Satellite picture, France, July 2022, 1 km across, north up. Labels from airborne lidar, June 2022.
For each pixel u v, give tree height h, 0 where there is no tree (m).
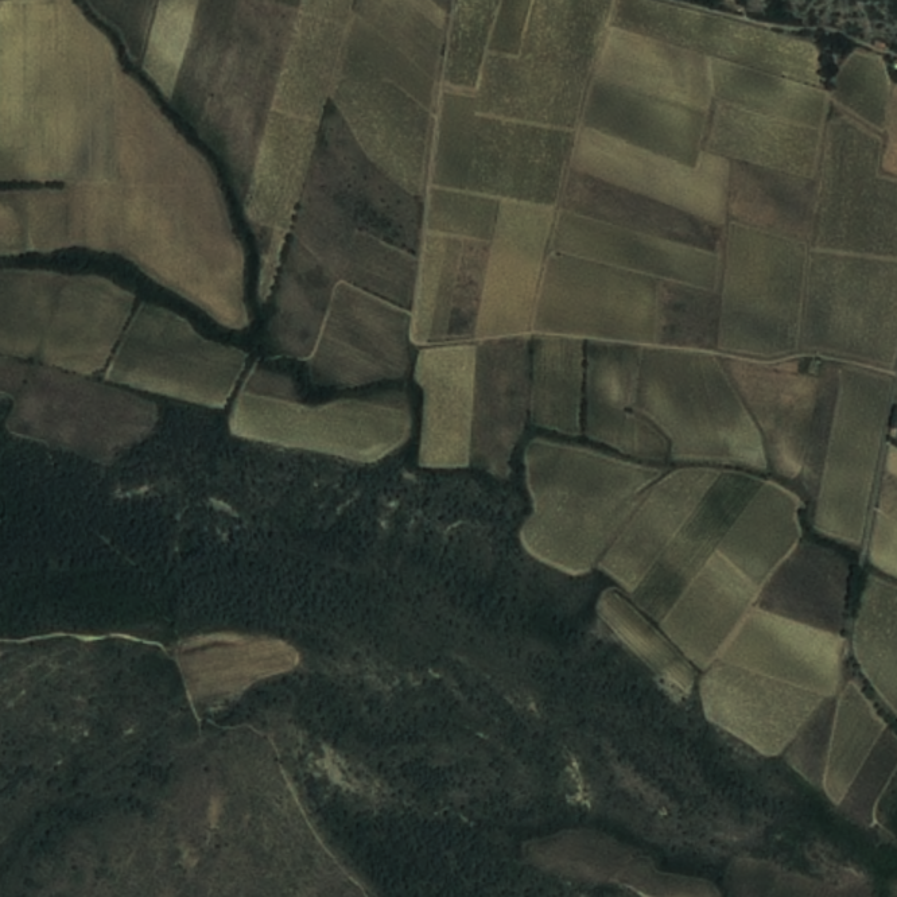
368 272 0
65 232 0
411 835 10
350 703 8
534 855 0
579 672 7
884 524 0
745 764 0
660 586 0
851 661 8
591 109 0
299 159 0
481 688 7
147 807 8
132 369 0
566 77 0
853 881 0
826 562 0
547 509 0
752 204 0
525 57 0
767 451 0
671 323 0
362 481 10
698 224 0
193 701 0
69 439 0
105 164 0
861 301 0
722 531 0
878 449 0
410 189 0
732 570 0
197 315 10
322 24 0
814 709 0
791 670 0
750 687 0
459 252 0
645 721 5
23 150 0
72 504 10
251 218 0
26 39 0
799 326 0
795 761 0
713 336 0
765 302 0
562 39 0
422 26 0
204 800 0
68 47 0
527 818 8
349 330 0
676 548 0
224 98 0
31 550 12
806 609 0
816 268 0
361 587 8
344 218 0
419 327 0
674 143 0
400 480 8
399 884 13
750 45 0
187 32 0
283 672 0
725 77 0
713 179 0
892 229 0
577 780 0
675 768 12
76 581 10
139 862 0
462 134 0
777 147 0
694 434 0
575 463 0
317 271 0
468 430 0
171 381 0
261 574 11
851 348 0
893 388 0
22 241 0
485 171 0
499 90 0
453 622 8
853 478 0
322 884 0
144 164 0
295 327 0
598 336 0
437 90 0
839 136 0
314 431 0
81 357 0
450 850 12
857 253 0
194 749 0
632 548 0
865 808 0
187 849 0
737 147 0
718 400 0
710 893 0
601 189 0
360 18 0
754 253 0
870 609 0
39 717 0
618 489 0
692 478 0
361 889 0
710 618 0
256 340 6
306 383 13
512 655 6
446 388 0
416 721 8
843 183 0
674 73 0
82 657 0
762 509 0
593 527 0
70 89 0
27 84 0
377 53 0
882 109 0
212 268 0
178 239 0
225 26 0
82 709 0
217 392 0
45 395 0
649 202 0
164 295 10
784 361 0
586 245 0
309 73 0
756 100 0
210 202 0
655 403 0
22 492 11
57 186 9
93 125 0
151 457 10
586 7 0
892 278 0
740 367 0
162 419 7
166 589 11
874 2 0
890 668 0
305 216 0
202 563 12
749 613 0
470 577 10
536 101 0
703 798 8
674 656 0
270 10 0
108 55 0
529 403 0
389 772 11
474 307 0
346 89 0
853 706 0
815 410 0
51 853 8
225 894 0
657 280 0
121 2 0
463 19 0
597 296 0
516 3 0
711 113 0
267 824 0
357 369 0
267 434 0
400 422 0
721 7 8
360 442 0
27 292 0
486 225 0
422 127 0
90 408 0
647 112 0
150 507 9
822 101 0
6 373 0
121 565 6
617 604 0
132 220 0
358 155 0
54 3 0
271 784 0
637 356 0
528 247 0
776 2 8
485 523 12
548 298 0
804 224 0
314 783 13
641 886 0
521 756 10
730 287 0
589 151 0
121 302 0
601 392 0
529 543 0
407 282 0
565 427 0
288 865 0
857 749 0
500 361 0
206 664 0
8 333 0
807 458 0
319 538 11
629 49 0
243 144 0
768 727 0
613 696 6
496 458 0
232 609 11
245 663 0
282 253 7
